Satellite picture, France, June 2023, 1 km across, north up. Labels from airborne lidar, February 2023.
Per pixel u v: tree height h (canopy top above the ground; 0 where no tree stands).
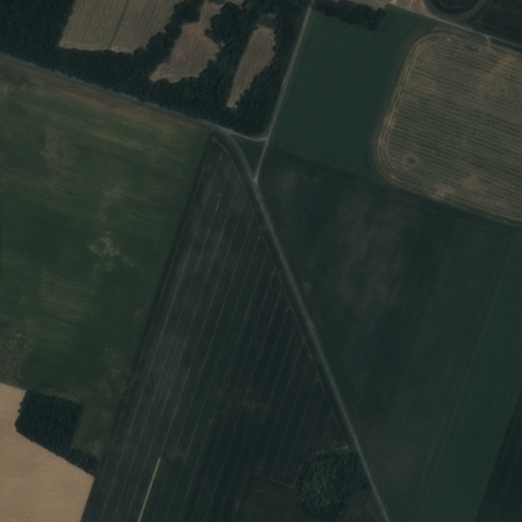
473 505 0
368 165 0
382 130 0
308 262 0
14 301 0
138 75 16
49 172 0
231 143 0
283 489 0
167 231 0
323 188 0
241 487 0
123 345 0
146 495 0
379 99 0
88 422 0
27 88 0
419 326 0
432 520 0
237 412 0
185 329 0
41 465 0
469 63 0
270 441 0
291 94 0
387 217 0
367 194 0
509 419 0
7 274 0
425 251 0
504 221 0
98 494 0
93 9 0
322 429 0
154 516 0
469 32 0
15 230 0
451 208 0
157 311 0
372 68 0
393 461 0
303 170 0
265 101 18
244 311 0
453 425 0
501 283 0
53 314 0
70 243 0
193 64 0
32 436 13
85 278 0
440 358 0
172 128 0
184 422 0
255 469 0
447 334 0
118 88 22
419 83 0
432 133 0
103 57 16
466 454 0
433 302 0
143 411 0
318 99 0
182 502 0
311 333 0
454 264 0
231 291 0
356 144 0
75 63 20
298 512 0
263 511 0
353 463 12
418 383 0
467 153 0
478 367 0
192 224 0
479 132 0
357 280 0
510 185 0
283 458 0
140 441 0
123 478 0
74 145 0
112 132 0
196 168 0
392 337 0
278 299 0
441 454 0
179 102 21
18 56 19
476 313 0
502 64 0
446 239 0
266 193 0
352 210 0
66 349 0
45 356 0
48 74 0
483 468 0
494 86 0
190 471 0
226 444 0
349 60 0
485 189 0
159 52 15
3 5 17
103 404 0
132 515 0
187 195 0
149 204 0
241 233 0
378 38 0
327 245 0
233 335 0
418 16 0
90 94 0
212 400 0
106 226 0
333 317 0
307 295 0
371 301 0
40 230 0
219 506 0
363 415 0
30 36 14
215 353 0
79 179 0
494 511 0
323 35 0
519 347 0
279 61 13
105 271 0
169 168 0
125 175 0
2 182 0
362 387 0
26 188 0
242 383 0
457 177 0
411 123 0
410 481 0
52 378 0
